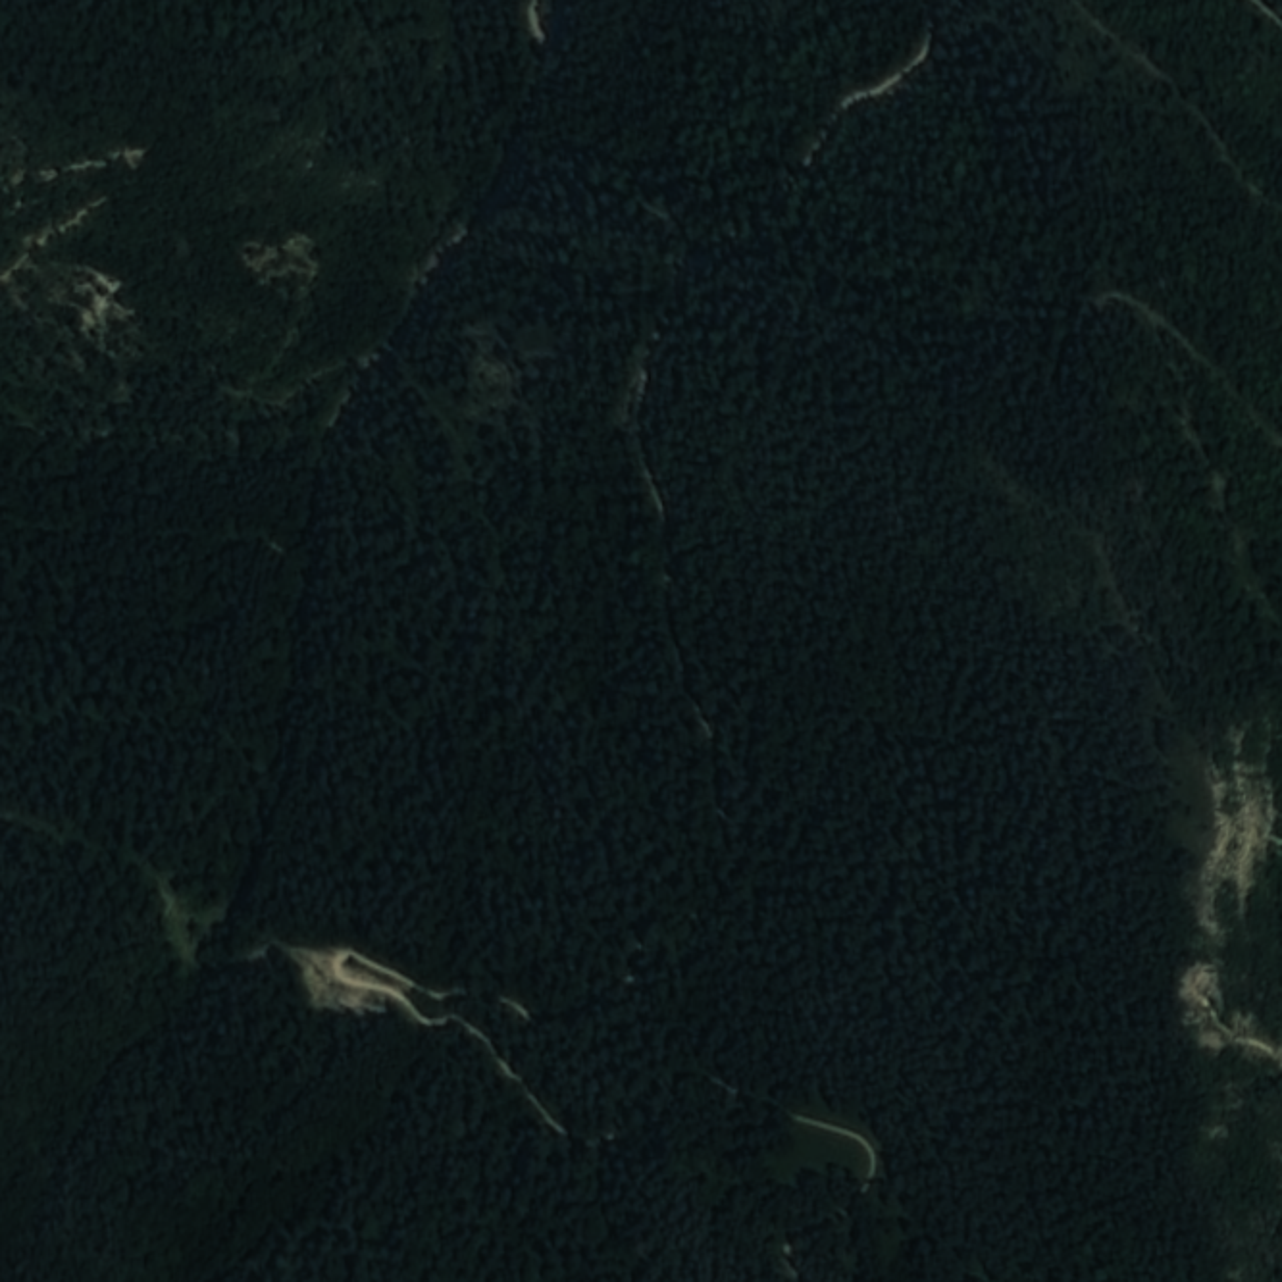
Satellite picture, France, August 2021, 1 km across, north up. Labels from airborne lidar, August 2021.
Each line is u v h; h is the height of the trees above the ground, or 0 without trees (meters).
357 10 8
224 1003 15
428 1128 20
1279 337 10
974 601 18
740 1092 18
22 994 17
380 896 23
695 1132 23
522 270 6
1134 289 9
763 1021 24
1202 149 7
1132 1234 18
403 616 36
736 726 31
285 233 7
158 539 10
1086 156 20
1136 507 18
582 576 6
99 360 25
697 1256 27
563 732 15
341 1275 28
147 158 9
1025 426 17
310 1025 6
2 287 7
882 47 14
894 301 18
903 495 18
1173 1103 16
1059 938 31
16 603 22
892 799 12
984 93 8
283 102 20
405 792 6
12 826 7
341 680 8
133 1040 17
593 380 17
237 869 8
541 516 19
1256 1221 7
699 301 16
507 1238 10
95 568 19
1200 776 0
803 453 16
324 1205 13
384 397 17
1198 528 16
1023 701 17
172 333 11
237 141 14
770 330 19
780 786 15
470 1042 14
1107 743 10
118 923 19
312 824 22
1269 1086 13
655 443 17
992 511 15
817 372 21
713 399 7
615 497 7
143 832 13
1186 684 20
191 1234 23
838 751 15
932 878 20
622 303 21
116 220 13
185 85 14
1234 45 14
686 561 19
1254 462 7
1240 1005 9
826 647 19
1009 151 22
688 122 11
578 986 10
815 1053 30
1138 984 20
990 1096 29
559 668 20
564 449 9
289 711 18
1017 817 26
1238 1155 10
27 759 10
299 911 18
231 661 27
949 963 29
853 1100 25
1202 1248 12
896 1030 28
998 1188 23
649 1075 15
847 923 22
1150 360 8
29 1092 8
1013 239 6
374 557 16
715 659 23
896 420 15
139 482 7
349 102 6
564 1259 7
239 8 20
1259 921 13
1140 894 19
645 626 20
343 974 0
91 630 23
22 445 24
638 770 11
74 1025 18
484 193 7
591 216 40
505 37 26
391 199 20
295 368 9
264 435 27
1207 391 12
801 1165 0
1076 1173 16
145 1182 12
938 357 18
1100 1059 23
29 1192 14
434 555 19
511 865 7
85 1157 17
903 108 11
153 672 21
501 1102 15
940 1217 23
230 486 8
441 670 15
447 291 15
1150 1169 24
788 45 7
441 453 20
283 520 8
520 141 17
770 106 18
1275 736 8
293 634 9
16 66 25
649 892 32
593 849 12
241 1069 19
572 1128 22
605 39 30
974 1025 34
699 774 30
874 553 15
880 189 6
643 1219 19
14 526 14
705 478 20
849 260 7
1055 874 27
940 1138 31
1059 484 12
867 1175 0
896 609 13
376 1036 20
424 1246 21
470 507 7
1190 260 17
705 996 14
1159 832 12
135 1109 23
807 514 15
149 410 14
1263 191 7
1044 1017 17
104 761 8
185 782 17
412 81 27
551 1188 28
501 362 9
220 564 16
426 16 7
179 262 16
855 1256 17
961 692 21
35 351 13
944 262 15
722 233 6
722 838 23
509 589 9
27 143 12
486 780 19
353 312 14
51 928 18
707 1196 20
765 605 17
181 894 25
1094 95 8
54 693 32
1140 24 9
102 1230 16
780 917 25
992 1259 29
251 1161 18
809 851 23
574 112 16
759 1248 26
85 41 20
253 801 25
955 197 10
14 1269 12
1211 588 18
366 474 7
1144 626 14
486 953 14
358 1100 22
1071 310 6
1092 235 7
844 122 7
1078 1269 15
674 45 14
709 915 13
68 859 10
